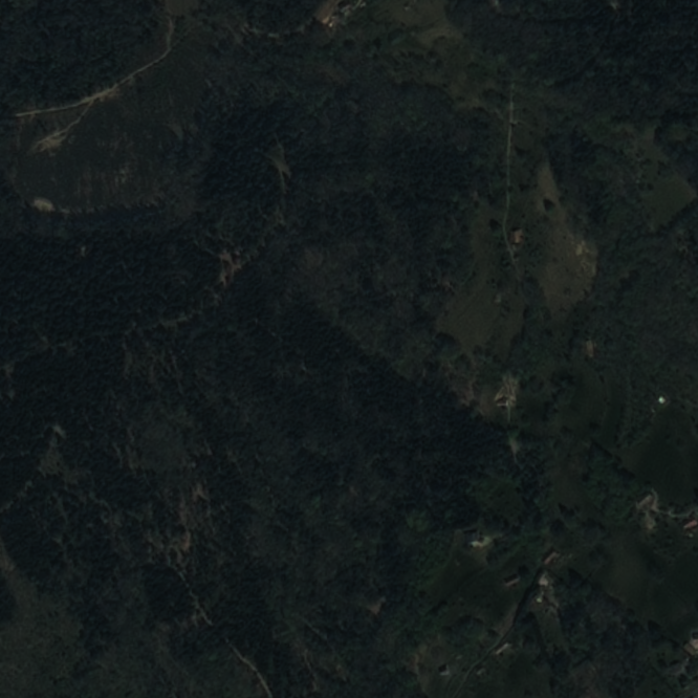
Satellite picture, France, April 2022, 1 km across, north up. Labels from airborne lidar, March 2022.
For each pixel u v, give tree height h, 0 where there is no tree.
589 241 16
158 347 6
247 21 12
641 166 5
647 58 25
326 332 31
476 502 16
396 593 33
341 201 28
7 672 7
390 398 28
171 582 17
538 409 0
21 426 20
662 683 8
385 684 23
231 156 29
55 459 17
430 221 35
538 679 0
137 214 23
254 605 11
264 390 21
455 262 26
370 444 29
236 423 15
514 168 11
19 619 14
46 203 0
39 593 11
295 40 19
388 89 26
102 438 22
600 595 23
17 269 25
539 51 29
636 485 18
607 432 0
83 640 18
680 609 0
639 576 0
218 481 19
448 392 13
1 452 19
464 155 39
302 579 22
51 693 10
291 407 22
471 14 35
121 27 21
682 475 0
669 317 24
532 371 13
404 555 32
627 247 20
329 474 28
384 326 28
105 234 24
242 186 19
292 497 26
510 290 13
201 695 7
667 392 12
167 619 7
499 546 16
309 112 30
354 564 19
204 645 22
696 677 15
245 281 22
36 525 26
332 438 28
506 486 0
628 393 14
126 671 22
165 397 16
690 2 28
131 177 0
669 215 0
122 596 24
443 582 0
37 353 12
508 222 0
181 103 0
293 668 23
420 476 10
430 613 15
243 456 21
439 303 25
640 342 24
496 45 30
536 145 0
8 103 12
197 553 7
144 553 21
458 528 17
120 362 19
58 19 27
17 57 21
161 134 0
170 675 27
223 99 22
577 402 0
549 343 19
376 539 21
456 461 15
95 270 34
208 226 23
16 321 6
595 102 28
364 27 15
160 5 20
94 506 18
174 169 21
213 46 0
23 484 17
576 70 24
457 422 29
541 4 28
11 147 31
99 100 0
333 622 24
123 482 21
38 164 0
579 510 16
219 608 11
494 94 10
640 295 24
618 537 0
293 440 27
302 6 22
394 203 31
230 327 22
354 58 13
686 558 0
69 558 16
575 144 31
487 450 18
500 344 0
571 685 20
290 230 15
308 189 30
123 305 27
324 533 25
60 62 21
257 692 21
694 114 8
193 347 24
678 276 24
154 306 10
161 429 24
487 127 19
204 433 11
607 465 24
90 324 30
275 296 27
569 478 0
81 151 0
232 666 23
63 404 19
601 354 16
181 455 18
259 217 25
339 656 20
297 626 25
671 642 7
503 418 0
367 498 29
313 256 37
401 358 33
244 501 16
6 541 21
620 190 20
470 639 22
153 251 26
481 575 0
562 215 0
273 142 22
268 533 23
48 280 31
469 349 0
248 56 16
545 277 0
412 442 25
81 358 25
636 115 25
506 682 9
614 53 22
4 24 25
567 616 19
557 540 20
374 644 28
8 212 22
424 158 34
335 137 33
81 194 0
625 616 26
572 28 30
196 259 22
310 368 22
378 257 38
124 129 0
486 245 0
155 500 18
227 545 12
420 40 0
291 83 27
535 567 19
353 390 21
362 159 30
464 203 30
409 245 30
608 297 23
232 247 22
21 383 24
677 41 33
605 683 25
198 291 20
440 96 25
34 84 14
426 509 31
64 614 14
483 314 0
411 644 24
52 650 6
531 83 20
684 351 22
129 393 21
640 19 16
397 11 0
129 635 26
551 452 22
